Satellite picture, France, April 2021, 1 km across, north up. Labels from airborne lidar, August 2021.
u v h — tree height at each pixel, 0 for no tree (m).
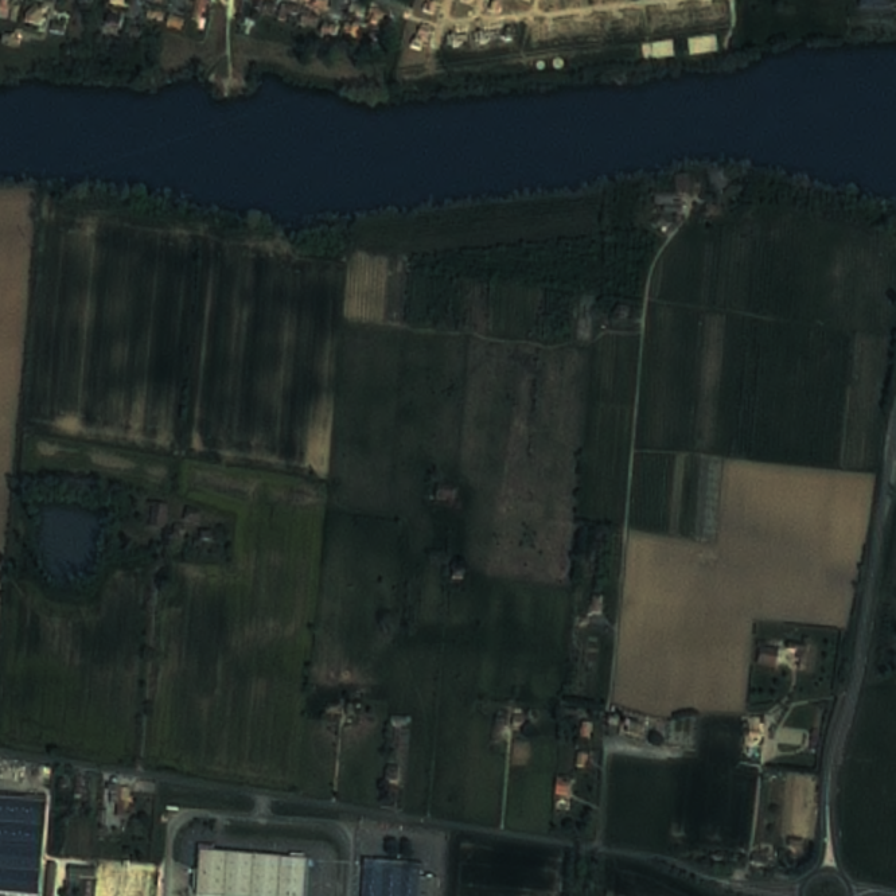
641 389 0
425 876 0
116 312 0
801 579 0
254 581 0
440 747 0
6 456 0
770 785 0
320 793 0
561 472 0
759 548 0
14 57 0
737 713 0
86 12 11
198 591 0
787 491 0
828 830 0
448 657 0
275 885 0
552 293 6
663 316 0
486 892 0
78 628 0
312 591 0
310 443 0
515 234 0
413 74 0
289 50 0
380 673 0
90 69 12
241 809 0
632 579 0
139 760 8
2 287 0
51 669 0
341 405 0
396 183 0
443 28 0
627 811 0
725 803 0
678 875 11
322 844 0
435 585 0
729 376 0
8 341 0
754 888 0
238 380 0
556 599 0
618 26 0
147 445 0
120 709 0
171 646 0
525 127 0
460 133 0
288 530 0
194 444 0
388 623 19
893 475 0
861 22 0
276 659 0
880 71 0
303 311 0
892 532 0
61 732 0
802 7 0
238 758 0
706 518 0
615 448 0
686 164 16
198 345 0
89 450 0
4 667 0
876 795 0
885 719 0
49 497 24
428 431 0
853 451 0
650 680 0
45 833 0
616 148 0
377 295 0
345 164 0
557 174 0
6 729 0
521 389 0
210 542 10
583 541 14
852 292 0
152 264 0
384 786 8
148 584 0
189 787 0
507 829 0
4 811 0
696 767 0
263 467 0
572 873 18
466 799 0
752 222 0
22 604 0
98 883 0
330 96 0
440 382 0
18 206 0
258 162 0
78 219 0
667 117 0
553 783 0
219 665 0
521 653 0
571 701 7
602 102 0
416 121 0
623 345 0
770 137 0
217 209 15
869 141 0
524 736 12
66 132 0
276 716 0
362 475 0
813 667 0
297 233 15
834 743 0
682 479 0
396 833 0
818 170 0
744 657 0
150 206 13
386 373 0
